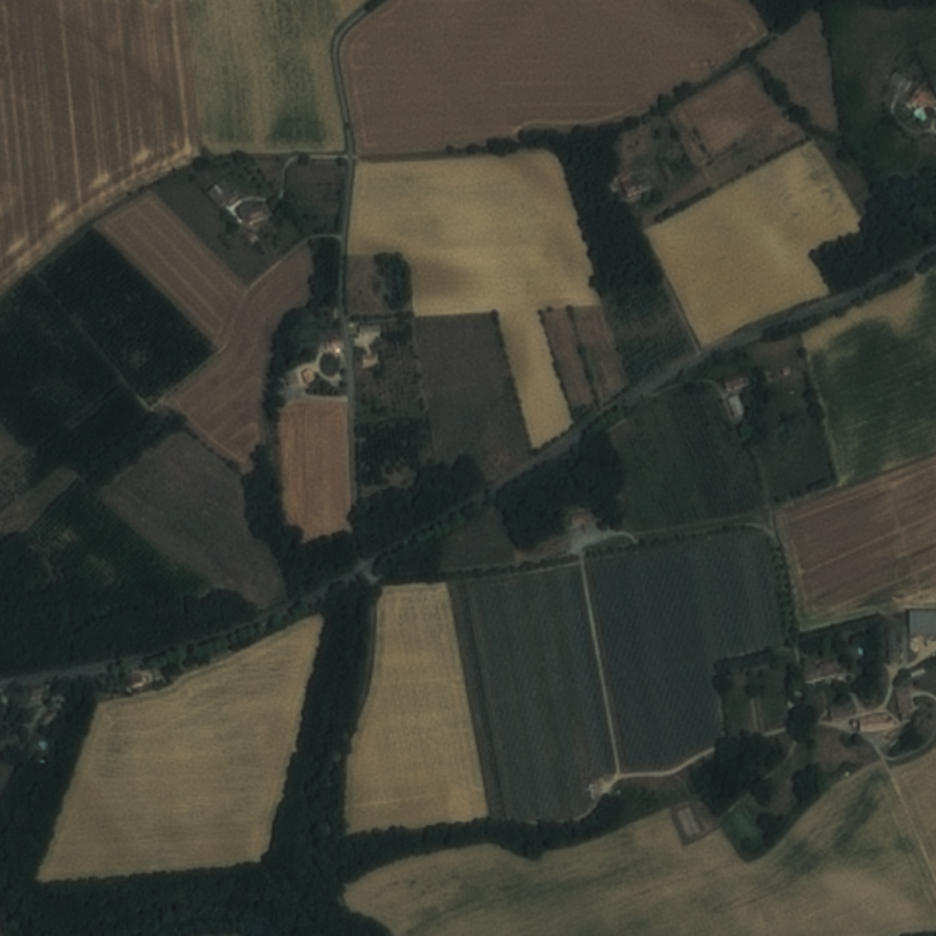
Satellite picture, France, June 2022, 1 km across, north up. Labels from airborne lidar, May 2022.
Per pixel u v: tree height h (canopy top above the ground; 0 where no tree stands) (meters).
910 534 0
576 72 0
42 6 0
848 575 0
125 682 13
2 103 0
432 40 0
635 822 0
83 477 12
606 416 14
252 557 0
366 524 15
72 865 0
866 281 15
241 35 0
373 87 0
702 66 0
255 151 0
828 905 0
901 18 0
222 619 16
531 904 0
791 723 17
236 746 0
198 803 0
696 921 0
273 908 22
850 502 0
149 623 16
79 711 14
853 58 0
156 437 13
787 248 0
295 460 0
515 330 0
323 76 0
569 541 0
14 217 0
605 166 15
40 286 9
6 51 0
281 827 15
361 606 22
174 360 8
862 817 0
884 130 0
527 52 0
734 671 20
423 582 8
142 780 0
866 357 0
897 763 0
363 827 0
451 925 0
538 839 19
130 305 8
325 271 13
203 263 0
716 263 0
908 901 0
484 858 0
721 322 0
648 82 0
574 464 7
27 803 13
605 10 0
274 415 14
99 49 0
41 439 10
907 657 0
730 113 0
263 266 0
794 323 12
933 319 0
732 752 16
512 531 18
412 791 0
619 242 16
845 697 11
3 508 8
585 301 0
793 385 0
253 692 0
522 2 0
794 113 16
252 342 0
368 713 0
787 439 0
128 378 9
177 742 0
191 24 0
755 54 8
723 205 0
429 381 0
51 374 8
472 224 0
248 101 0
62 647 16
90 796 0
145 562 9
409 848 20
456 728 0
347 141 0
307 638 0
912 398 0
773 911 0
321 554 13
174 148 0
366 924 16
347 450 0
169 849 0
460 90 0
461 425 0
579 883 0
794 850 0
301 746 9
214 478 0
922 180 20
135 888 7
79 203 0
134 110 0
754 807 0
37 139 0
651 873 0
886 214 9
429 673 0
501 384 0
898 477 0
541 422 0
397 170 0
